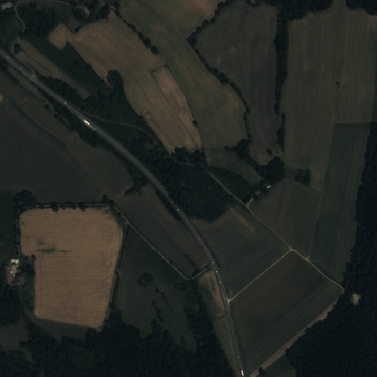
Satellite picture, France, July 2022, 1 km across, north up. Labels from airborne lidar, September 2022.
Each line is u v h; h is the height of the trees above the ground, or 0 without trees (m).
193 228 0
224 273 0
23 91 0
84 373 15
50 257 0
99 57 0
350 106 0
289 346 0
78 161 0
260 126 0
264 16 0
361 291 22
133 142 9
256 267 0
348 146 0
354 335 23
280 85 10
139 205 0
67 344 21
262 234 0
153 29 0
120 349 18
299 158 0
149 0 0
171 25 0
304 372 21
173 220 0
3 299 21
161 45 0
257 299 0
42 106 0
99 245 0
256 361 0
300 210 0
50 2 0
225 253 0
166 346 12
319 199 0
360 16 0
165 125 0
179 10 0
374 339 24
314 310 0
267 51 0
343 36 0
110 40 0
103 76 0
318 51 0
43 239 0
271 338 0
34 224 0
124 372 21
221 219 0
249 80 0
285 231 0
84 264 0
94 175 0
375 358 30
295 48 0
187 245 0
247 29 0
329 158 0
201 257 0
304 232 0
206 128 0
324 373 19
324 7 22
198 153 13
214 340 13
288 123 0
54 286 0
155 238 0
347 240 0
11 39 0
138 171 6
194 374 21
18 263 0
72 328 0
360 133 0
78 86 0
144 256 0
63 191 0
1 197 0
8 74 9
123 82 10
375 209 27
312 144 0
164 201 19
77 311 0
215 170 6
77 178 0
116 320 16
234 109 0
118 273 20
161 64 0
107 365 25
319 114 0
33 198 19
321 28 0
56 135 0
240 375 0
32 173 0
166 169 11
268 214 0
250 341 0
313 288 0
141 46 0
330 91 0
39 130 0
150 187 0
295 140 0
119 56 0
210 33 0
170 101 0
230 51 0
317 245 0
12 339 0
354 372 23
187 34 0
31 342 16
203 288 0
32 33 8
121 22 0
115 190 0
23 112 0
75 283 0
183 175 10
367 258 36
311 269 0
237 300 0
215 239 0
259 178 0
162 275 0
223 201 6
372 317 30
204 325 14
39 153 0
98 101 9
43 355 17
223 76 12
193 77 0
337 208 0
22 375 24
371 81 0
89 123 0
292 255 0
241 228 0
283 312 0
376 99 0
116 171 0
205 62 10
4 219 0
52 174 0
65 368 11
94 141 14
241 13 0
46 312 0
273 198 0
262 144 0
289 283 0
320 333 23
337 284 0
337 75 0
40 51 0
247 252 0
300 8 22
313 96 0
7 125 0
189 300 0
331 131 0
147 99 0
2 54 0
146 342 9
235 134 0
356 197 0
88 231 0
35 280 0
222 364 15
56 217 0
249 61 0
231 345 0
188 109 0
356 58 0
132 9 0
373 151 8
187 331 0
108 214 0
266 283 0
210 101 0
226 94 0
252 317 0
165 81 0
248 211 5
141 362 9
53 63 0
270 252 0
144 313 0
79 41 0
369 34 0
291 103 0
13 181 0
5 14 10
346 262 0
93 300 0
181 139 0
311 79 0
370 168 22
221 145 0
